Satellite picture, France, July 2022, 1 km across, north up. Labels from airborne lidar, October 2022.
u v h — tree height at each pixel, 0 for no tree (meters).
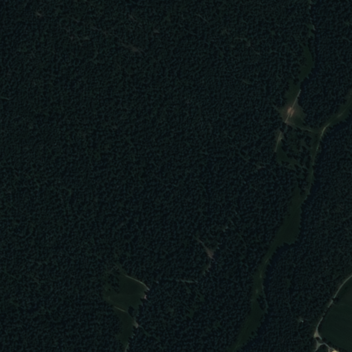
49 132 17
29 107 20
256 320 0
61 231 14
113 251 24
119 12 17
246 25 23
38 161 8
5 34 16
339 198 24
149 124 21
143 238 19
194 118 19
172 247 40
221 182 31
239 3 20
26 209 15
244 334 0
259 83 32
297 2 7
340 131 35
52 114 29
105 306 34
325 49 22
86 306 33
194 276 24
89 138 26
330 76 39
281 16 24
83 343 24
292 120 0
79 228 33
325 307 6
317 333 0
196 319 20
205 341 38
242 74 24
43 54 8
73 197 23
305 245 23
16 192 19
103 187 38
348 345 0
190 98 18
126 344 0
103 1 22
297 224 0
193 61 24
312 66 0
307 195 0
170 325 11
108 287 0
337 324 0
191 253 29
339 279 18
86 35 10
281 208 33
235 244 31
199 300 24
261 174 20
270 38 20
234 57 7
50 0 30
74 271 17
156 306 33
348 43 30
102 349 11
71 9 22
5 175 28
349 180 22
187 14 22
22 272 35
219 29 8
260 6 17
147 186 11
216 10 7
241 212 38
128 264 26
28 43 18
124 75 24
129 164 23
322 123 25
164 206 35
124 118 25
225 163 23
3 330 9
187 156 39
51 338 20
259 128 24
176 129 25
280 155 0
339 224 20
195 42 19
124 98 27
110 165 22
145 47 29
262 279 0
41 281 27
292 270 24
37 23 18
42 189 18
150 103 16
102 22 24
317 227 15
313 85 34
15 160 16
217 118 17
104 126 19
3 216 18
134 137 26
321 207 20
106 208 20
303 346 7
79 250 22
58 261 13
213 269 10
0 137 20
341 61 33
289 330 23
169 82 8
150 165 30
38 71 15
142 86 16
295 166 0
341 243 26
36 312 37
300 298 16
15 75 24
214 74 18
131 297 0
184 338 25
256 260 32
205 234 32
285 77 22
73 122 23
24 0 19
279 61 21
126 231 27
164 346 35
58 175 23
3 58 8
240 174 10
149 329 11
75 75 19
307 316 19
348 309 0
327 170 27
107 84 20
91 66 19
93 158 24
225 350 29
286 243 0
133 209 32
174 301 32
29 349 23
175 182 36
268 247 17
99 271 21
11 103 16
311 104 26
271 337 20
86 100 23
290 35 24
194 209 29
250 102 27
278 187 41
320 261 23
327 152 26
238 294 31
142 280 27
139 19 6
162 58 16
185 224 31
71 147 16
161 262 31
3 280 14
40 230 11
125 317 0
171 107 15
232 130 18
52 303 27
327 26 19
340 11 27
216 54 22
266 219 37
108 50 24
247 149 28
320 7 28
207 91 25
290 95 0
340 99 28
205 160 15
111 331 32
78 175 13
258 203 28
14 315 11
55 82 8
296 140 13
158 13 14
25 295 30
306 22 31
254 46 19
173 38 13
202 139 24
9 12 20
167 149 29
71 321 29
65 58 29
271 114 23
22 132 19
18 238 28
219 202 29
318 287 24
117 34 25
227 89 18
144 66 11
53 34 9
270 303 26
